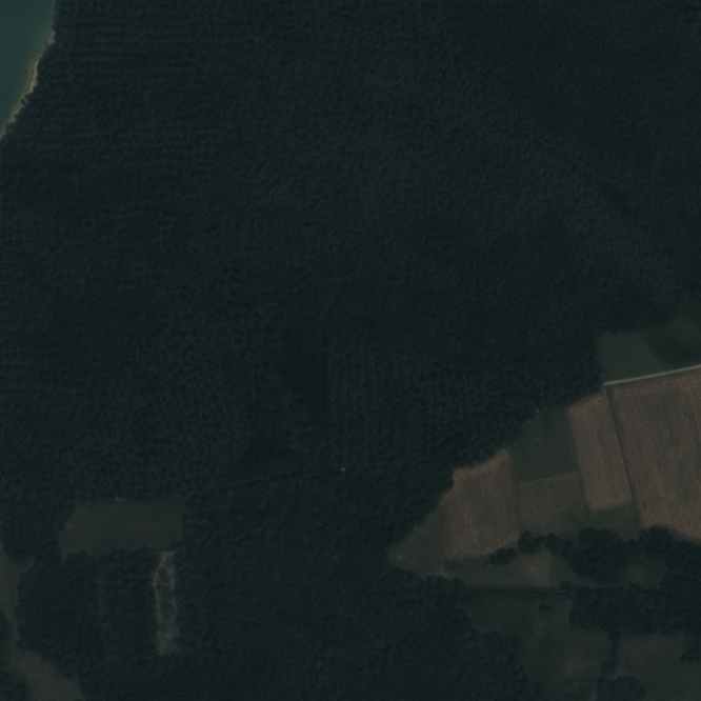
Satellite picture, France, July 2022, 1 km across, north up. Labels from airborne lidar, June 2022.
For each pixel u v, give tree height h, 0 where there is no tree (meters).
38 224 16
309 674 26
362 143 23
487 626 0
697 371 0
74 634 8
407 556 0
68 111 23
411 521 23
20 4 0
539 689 15
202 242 21
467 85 29
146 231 17
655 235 28
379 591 28
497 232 22
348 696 19
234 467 10
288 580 21
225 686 19
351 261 21
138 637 12
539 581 0
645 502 0
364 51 21
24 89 0
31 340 21
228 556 16
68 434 16
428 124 6
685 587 31
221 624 13
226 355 25
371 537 24
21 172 23
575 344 26
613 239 31
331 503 25
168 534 0
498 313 26
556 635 0
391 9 17
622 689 23
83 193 17
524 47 20
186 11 18
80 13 25
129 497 20
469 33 21
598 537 13
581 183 19
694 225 29
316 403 10
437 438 24
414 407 24
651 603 20
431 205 21
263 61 17
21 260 22
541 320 17
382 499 20
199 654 20
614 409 0
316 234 21
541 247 23
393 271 18
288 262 21
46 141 27
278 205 21
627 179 28
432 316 22
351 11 24
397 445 21
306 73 22
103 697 19
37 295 20
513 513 0
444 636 20
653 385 0
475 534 0
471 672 17
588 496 0
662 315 20
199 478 30
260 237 24
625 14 19
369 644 26
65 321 20
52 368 10
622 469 0
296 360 8
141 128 22
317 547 18
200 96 18
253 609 21
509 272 21
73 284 22
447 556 0
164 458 32
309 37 25
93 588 22
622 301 26
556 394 23
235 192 21
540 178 33
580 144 23
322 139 26
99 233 19
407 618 23
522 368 25
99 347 10
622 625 18
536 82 25
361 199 20
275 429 8
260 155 20
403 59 24
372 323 24
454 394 30
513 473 0
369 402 26
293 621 27
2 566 0
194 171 24
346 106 22
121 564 20
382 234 20
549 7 16
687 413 0
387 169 23
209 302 23
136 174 14
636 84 17
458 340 23
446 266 25
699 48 22
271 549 25
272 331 23
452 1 25
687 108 18
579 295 22
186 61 22
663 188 27
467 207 21
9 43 0
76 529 0
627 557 23
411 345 23
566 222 28
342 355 23
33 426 11
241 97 23
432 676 18
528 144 22
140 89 18
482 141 23
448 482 23
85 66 19
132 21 23
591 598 20
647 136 18
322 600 22
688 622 11
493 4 16
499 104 20
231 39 22
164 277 22
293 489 23
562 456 0
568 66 18
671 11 20
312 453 25
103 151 21
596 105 23
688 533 0
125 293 16
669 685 0
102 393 15
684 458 0
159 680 21
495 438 28
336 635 25
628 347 0
